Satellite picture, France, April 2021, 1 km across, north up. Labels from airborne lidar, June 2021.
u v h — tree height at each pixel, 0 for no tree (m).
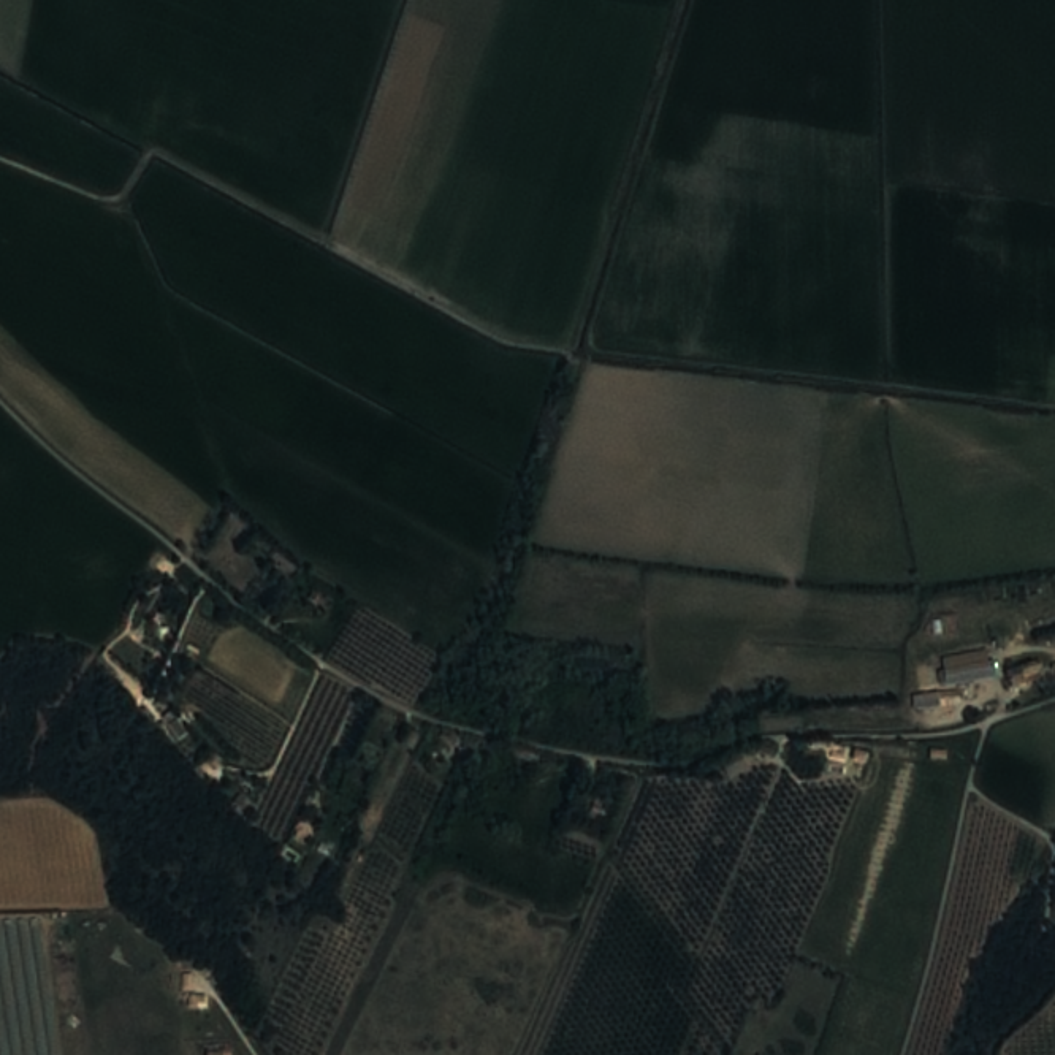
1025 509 0
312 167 0
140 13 0
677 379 0
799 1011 0
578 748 6
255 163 0
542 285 0
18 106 0
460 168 0
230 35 0
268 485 0
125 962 0
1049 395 0
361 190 0
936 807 0
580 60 0
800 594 0
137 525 0
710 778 14
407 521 0
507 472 0
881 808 0
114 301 0
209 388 0
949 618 0
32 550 0
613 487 0
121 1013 0
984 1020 6
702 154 0
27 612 0
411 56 0
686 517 0
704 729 17
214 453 0
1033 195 0
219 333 0
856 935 0
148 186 0
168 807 6
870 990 0
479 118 0
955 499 0
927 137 0
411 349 0
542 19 0
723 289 0
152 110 0
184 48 0
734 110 0
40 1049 0
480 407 0
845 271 0
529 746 9
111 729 13
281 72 0
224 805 7
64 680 5
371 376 0
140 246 0
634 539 0
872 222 0
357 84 0
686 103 0
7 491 0
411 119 0
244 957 9
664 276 0
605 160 0
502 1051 0
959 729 0
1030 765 0
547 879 0
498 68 0
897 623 0
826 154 0
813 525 0
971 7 0
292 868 10
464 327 0
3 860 0
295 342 0
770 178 0
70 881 0
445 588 0
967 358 0
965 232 0
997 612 0
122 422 0
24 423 0
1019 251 0
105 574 0
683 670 0
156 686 8
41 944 0
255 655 0
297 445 0
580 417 0
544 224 0
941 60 0
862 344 0
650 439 0
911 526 0
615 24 0
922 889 0
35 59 0
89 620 0
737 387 0
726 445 0
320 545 0
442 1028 0
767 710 8
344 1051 0
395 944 0
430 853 6
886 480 0
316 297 0
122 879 9
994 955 7
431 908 0
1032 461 0
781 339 0
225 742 8
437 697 15
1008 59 0
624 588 0
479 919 0
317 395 0
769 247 0
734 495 0
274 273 0
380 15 0
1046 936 9
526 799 0
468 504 0
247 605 20
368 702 17
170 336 0
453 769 7
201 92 0
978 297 0
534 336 0
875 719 0
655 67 0
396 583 0
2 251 0
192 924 8
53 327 0
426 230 0
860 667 0
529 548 10
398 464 0
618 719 7
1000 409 6
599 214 0
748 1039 0
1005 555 0
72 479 0
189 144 0
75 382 0
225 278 0
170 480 0
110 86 0
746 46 0
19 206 0
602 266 0
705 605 0
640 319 0
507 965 0
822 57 0
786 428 0
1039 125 0
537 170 0
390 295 0
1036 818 0
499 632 14
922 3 0
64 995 0
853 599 0
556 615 0
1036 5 0
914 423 0
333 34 0
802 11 0
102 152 0
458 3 0
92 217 0
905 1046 0
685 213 0
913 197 0
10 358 0
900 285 0
